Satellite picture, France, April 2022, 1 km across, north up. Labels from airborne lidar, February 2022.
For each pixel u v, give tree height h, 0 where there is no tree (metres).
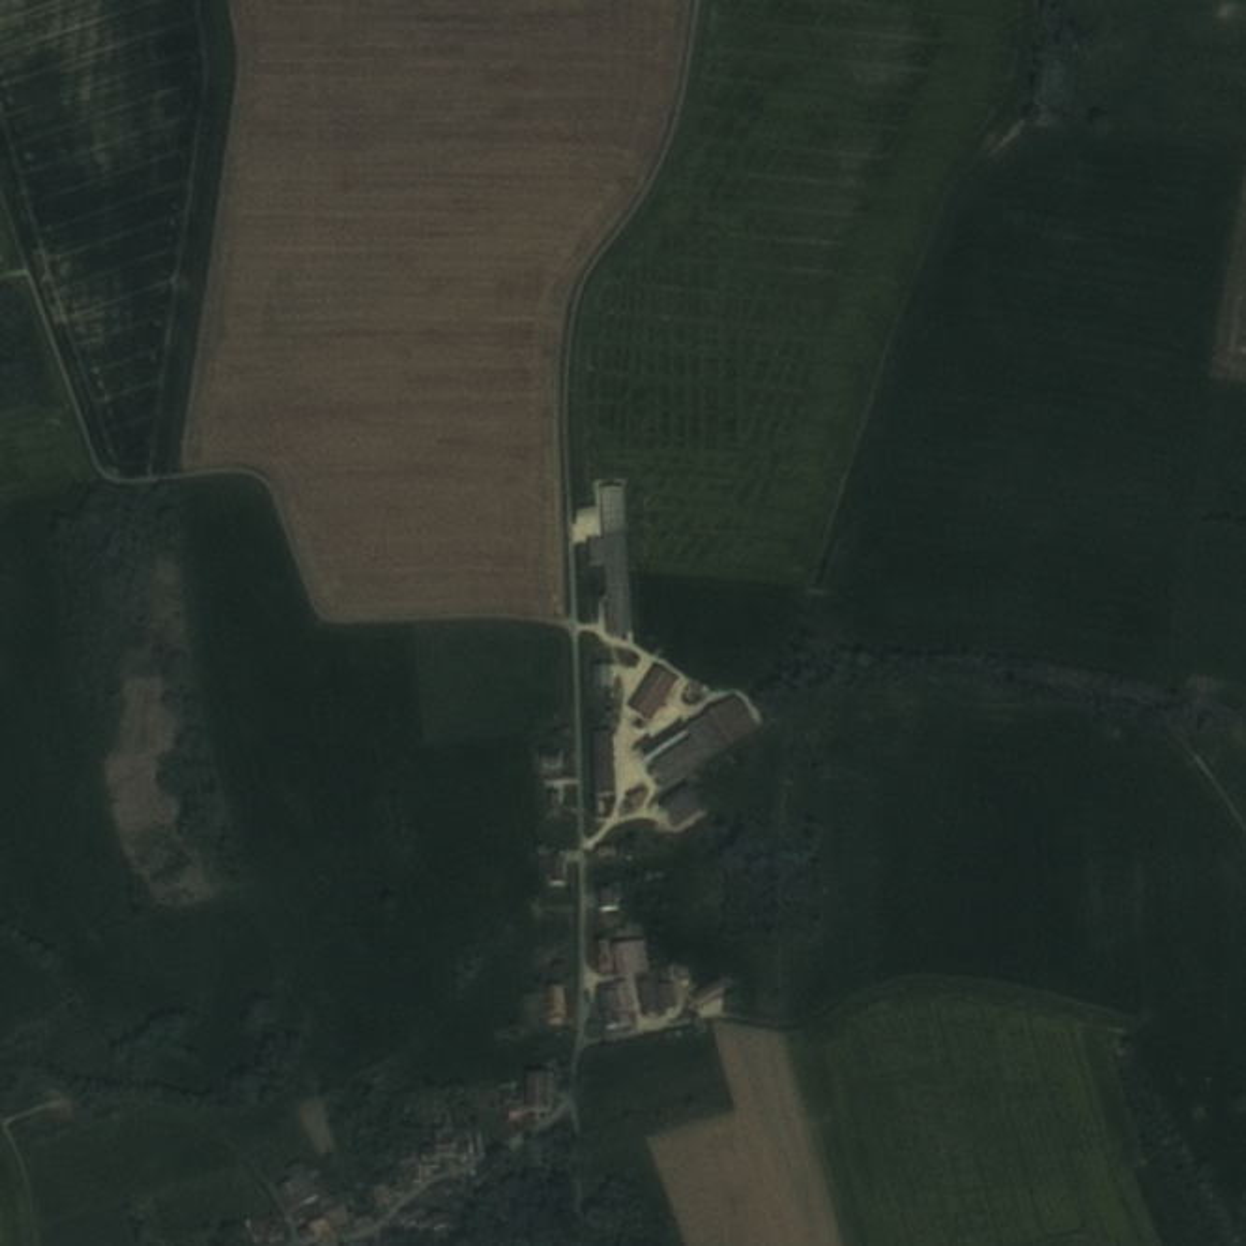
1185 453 0
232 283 0
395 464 0
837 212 0
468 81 0
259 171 0
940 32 0
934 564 0
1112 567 0
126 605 12
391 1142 10
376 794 0
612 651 0
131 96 0
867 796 0
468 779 0
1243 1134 0
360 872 0
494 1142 0
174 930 0
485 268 0
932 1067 0
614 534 0
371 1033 0
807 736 0
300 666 0
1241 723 13
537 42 0
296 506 0
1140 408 0
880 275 0
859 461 0
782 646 0
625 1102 0
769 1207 0
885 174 0
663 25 0
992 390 0
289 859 0
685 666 0
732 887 9
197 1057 12
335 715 0
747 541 0
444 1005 0
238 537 0
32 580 0
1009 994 0
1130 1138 0
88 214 0
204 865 0
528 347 0
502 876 0
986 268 0
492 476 0
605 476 0
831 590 0
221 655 0
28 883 0
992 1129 0
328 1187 0
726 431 0
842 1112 0
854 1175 0
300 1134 0
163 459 0
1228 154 0
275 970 0
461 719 0
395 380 0
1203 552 0
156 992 0
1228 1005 0
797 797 0
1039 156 0
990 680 6
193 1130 0
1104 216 0
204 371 0
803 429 0
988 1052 0
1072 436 0
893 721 0
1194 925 0
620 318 0
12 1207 0
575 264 0
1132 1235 0
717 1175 0
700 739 0
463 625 0
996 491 0
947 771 0
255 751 0
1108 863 0
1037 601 0
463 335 0
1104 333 0
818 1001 0
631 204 0
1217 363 0
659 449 0
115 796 0
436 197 0
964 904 0
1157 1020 0
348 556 0
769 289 0
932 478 0
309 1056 0
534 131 0
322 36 0
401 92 0
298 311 0
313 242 0
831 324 0
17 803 0
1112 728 17
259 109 0
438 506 0
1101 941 0
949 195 0
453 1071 0
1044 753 0
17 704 0
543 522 0
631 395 0
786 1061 0
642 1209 9
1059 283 0
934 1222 0
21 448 0
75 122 0
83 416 0
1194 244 0
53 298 0
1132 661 0
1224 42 0
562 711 0
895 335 0
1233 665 0
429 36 0
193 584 0
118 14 0
